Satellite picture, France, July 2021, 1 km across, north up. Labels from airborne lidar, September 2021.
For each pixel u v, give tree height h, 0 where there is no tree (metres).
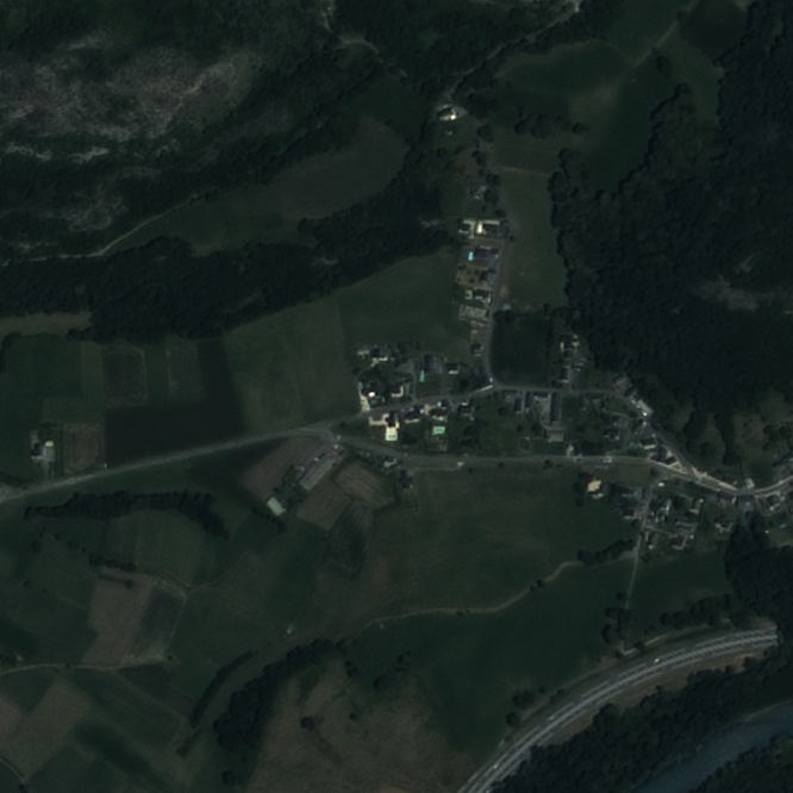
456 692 0
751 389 19
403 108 0
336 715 0
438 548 0
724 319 21
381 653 0
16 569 0
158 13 7
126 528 0
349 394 0
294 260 16
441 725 0
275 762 0
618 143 0
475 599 0
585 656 0
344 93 13
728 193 14
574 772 15
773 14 15
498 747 0
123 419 0
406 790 0
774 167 15
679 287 19
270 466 0
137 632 0
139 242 0
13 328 0
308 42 7
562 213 23
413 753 0
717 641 0
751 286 8
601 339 15
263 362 0
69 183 11
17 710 0
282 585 0
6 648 0
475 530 0
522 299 0
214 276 16
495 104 13
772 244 12
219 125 8
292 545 0
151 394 0
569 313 17
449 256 0
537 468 0
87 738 0
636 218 18
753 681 20
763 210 18
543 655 0
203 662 0
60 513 17
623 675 0
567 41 18
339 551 0
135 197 6
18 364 0
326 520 0
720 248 15
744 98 13
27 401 0
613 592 0
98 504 13
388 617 0
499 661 0
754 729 0
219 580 0
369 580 0
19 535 0
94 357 0
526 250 0
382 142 0
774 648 9
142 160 6
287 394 0
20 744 0
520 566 0
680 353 19
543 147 0
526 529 0
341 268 16
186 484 0
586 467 0
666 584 0
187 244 10
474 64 16
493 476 0
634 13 0
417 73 8
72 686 0
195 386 0
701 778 0
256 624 0
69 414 0
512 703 0
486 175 12
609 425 6
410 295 0
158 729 0
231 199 0
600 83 0
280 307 17
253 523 0
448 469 0
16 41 9
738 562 17
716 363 20
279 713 0
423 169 21
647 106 0
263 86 7
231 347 0
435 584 0
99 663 0
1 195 11
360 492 0
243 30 8
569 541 0
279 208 0
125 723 0
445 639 0
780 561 17
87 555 7
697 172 19
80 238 7
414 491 0
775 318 16
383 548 0
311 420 0
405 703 0
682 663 0
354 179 0
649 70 0
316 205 0
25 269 16
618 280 23
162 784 0
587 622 0
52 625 0
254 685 15
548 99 0
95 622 0
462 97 14
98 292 18
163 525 0
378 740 0
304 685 0
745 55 13
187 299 15
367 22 7
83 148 9
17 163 10
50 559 0
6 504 0
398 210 8
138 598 0
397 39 8
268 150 17
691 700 17
